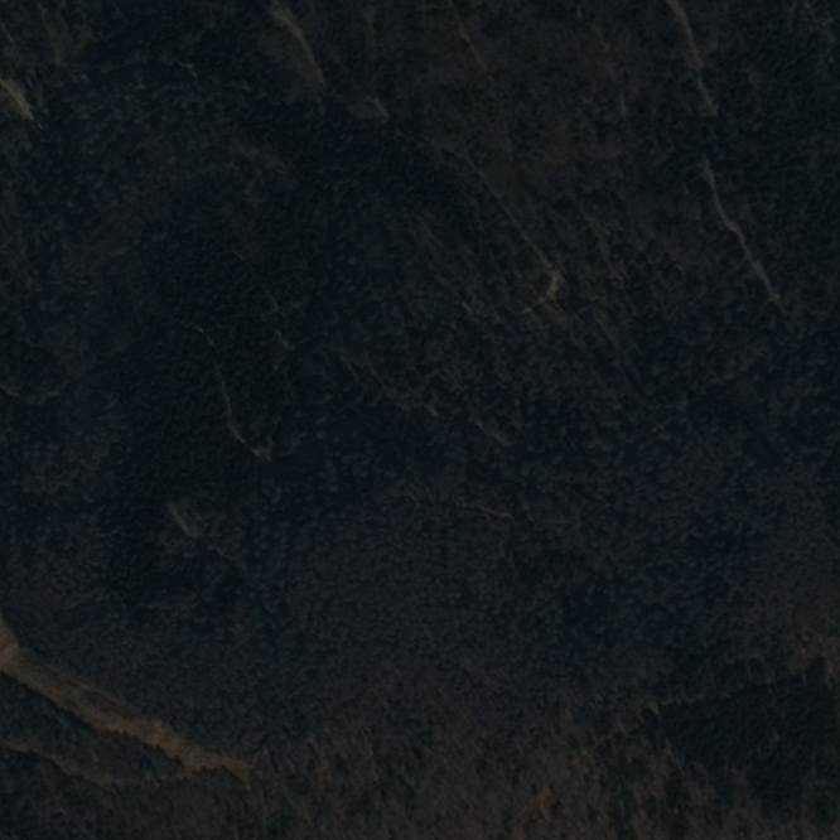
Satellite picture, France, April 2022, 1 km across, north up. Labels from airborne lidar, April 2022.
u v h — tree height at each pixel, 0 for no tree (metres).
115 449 16
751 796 25
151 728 0
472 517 30
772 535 22
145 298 18
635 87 15
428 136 16
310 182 21
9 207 24
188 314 20
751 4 19
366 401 9
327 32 23
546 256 13
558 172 12
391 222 19
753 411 11
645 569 32
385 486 31
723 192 12
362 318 12
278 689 17
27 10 35
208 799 14
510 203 14
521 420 33
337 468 29
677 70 27
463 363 7
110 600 12
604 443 33
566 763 16
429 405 12
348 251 16
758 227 22
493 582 33
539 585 24
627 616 26
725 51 19
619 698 20
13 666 0
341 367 19
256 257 16
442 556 27
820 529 26
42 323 19
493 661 25
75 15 15
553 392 35
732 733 23
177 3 21
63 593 21
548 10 24
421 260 27
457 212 15
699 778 23
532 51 21
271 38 26
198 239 15
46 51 32
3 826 26
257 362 14
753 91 26
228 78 27
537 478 21
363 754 22
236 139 19
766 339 31
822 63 17
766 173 25
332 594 26
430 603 28
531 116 12
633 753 27
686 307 10
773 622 22
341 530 34
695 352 32
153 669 20
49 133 43
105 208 21
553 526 28
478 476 19
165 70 21
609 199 9
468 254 12
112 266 18
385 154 18
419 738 21
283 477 15
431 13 10
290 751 12
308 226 22
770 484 28
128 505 19
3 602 12
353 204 17
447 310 30
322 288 35
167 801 15
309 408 11
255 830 18
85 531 34
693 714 20
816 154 27
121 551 14
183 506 30
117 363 12
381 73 23
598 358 10
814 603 20
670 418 38
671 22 18
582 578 31
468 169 10
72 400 23
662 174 12
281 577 33
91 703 0
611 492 8
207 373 26
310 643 25
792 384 29
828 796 27
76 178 39
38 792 9
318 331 17
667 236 19
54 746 21
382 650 25
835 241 20
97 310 15
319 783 19
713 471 29
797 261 21
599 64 15
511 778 23
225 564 31
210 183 26
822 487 26
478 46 18
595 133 13
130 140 41
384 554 27
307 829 22
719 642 12
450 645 30
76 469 35
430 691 26
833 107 19
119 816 18
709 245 17
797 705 25
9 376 44
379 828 25
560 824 29
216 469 27
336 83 22
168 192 16
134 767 15
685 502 29
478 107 9
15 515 20
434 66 12
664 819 23
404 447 13
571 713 24
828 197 22
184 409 27
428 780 22
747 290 12
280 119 32
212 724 12
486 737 19
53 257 34
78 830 22
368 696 24
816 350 33
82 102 33
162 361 23
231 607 25
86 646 21
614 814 24
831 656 8
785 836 23
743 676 20
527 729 19
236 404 22
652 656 27
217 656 23
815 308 30
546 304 0
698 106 12
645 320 40
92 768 17
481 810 26
